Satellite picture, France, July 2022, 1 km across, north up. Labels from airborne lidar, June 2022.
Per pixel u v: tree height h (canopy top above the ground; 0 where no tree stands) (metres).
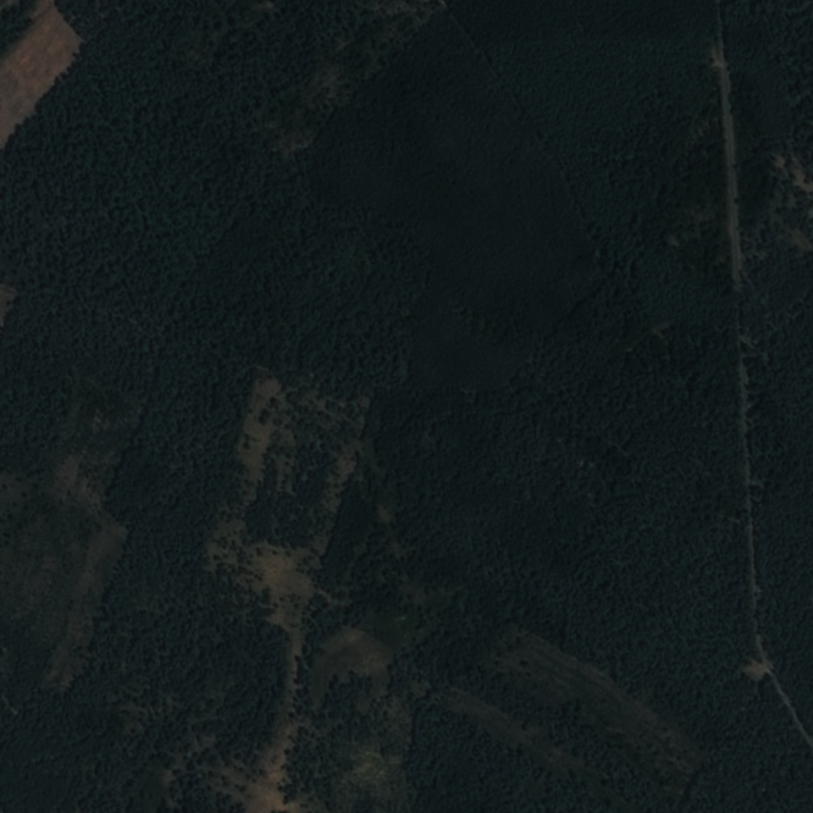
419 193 11
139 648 17
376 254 20
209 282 18
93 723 12
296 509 7
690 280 20
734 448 16
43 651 9
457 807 9
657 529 20
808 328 21
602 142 16
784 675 16
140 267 19
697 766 0
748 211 8
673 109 18
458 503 11
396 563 11
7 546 8
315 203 16
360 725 7
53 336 18
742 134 7
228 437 14
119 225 8
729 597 11
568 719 12
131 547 15
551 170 10
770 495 14
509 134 10
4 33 12
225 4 17
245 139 17
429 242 8
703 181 10
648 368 22
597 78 18
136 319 9
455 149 9
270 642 16
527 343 8
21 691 10
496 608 8
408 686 10
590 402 15
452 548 9
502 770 20
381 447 12
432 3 9
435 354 9
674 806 17
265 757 0
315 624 11
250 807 0
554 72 15
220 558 11
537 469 15
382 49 10
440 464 11
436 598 0
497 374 7
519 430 14
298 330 17
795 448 21
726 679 13
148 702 9
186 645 19
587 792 18
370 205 9
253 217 19
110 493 13
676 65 17
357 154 8
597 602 17
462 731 12
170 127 19
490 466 7
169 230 19
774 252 18
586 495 10
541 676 0
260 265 17
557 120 12
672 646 18
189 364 17
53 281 18
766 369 13
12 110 0
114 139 21
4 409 14
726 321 20
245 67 18
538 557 12
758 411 18
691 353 19
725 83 0
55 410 18
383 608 11
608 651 18
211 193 24
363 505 13
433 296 9
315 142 9
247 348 18
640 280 22
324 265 16
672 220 12
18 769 16
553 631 8
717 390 19
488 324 11
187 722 9
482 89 8
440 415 14
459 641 10
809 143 17
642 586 22
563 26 16
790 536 15
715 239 13
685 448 14
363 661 0
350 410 8
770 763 19
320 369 13
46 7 0
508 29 18
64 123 19
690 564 8
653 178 18
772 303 9
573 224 11
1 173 10
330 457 11
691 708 10
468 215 8
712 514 14
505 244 9
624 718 0
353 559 11
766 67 12
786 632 15
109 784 13
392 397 13
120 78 20
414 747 14
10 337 15
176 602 14
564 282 9
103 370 13
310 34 19
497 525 11
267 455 7
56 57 0
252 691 13
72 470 0
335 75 0
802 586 15
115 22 20
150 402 11
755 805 12
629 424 20
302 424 11
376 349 11
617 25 16
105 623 16
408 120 10
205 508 12
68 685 0
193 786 16
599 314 20
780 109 15
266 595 6
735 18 23
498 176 10
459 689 18
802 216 11
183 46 7
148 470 19
